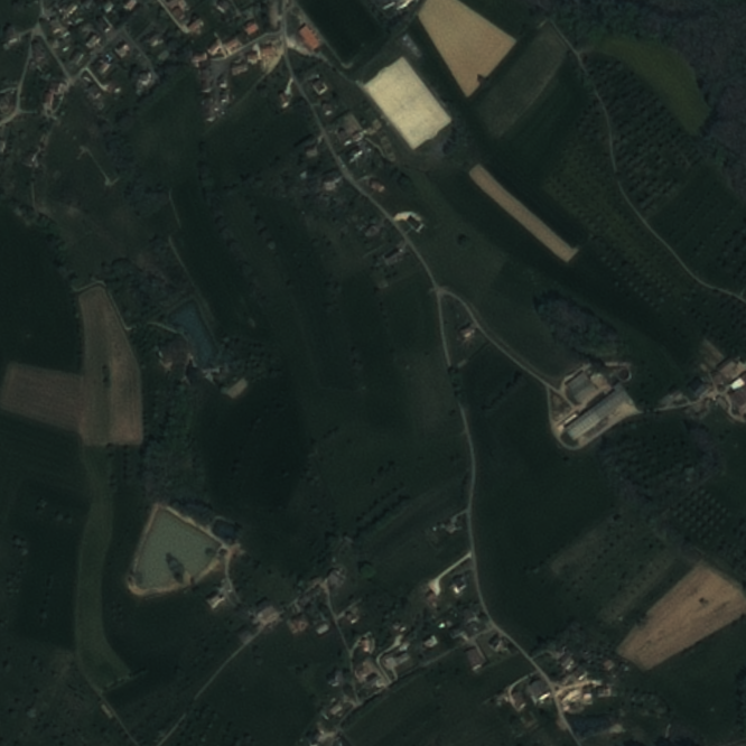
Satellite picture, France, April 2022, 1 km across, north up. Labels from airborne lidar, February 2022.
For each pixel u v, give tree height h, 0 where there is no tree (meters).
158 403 0
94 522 0
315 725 0
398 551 0
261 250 0
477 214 0
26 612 0
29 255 0
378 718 0
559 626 0
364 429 0
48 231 8
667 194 9
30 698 0
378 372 0
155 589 0
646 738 0
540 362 0
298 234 0
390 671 0
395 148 0
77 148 0
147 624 0
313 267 0
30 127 0
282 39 0
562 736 0
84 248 0
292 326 0
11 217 0
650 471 0
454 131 0
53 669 0
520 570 0
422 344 0
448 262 0
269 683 0
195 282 0
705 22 32
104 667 0
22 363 0
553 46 0
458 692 0
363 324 0
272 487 0
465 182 0
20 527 0
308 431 0
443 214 0
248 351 0
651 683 0
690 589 0
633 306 0
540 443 0
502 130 0
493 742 0
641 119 0
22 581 0
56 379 0
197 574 0
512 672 0
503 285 0
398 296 0
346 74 0
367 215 0
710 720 0
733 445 0
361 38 0
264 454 0
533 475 0
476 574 0
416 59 0
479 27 0
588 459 0
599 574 0
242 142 0
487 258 0
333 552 8
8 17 0
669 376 0
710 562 0
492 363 0
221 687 0
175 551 0
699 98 0
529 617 0
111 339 0
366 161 0
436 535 0
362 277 0
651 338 0
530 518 0
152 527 0
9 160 7
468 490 10
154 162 0
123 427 0
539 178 0
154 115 0
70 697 0
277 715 0
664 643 0
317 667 0
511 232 0
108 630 0
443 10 0
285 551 0
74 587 0
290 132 0
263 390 0
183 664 0
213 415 0
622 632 0
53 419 0
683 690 0
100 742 0
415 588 0
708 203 0
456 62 0
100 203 0
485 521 0
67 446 0
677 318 0
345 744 0
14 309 0
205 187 11
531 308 0
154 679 0
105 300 0
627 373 0
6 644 0
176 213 0
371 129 0
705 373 0
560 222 0
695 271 0
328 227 0
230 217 0
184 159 0
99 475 0
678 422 0
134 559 0
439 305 0
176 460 21
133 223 0
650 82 0
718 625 0
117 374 0
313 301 0
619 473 24
